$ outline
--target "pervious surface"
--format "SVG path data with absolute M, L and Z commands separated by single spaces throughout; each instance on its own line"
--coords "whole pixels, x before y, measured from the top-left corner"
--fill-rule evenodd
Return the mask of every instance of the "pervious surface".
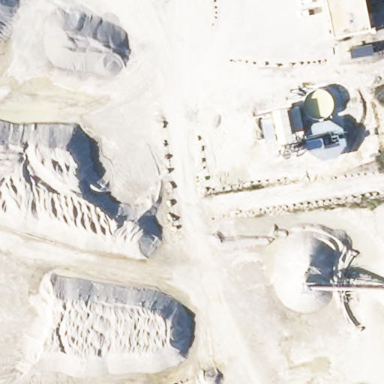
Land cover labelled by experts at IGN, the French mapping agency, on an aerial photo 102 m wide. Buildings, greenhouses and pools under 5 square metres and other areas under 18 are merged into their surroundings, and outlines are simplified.
M 364 36 L 345 36 L 334 40 L 331 39 L 327 16 L 319 7 L 325 0 L 0 0 L 0 384 L 384 384 L 384 0 L 366 0 L 370 21 L 361 27 Z M 361 45 L 361 42 L 372 42 L 375 54 L 351 57 L 349 51 L 354 46 Z M 262 118 L 265 115 L 271 115 L 274 111 L 279 111 L 280 115 L 286 114 L 292 103 L 312 99 L 315 88 L 324 85 L 327 85 L 325 91 L 333 97 L 333 123 L 342 127 L 345 139 L 340 139 L 334 147 L 306 150 L 295 147 L 295 142 L 285 142 L 282 145 L 277 142 L 277 138 L 264 138 Z

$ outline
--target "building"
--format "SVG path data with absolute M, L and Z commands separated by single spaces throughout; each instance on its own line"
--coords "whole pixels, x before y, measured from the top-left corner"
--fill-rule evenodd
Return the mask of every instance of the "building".
M 354 46 L 349 51 L 351 57 L 375 54 L 372 42 L 361 42 L 361 45 Z
M 324 85 L 315 88 L 312 99 L 292 103 L 286 114 L 280 115 L 279 111 L 274 111 L 271 115 L 265 115 L 262 118 L 264 138 L 277 138 L 277 142 L 282 145 L 285 142 L 295 142 L 295 147 L 306 150 L 334 147 L 340 139 L 345 139 L 342 127 L 333 123 L 333 97 L 325 91 L 327 85 Z
M 325 0 L 319 7 L 327 16 L 331 39 L 334 40 L 345 36 L 364 36 L 361 27 L 370 21 L 366 0 Z

